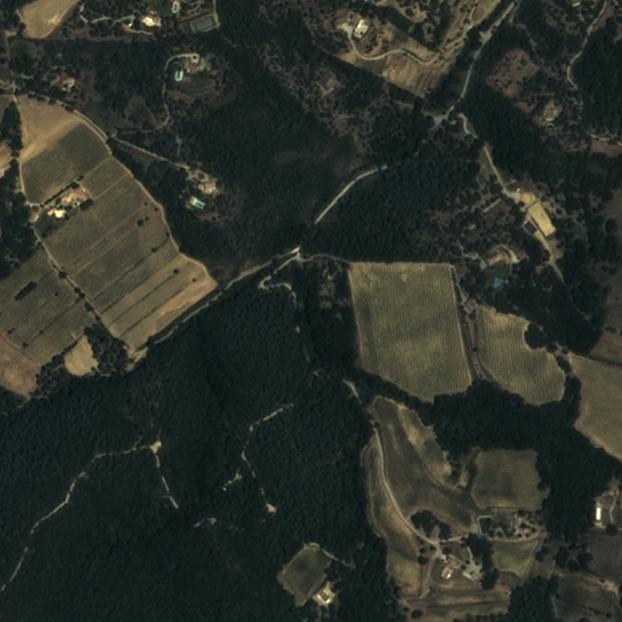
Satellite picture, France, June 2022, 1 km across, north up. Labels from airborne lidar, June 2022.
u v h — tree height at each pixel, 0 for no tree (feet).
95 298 0
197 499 44
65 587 44
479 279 24
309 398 44
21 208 49
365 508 43
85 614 23
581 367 0
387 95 21
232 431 38
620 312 0
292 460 61
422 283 0
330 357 52
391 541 0
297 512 35
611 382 0
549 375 0
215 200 25
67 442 23
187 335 24
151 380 45
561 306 51
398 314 0
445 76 20
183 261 0
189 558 50
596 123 30
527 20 33
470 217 38
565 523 44
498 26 22
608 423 0
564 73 25
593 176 36
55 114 0
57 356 26
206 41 29
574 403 41
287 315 49
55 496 20
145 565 38
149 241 0
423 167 44
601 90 33
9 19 26
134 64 39
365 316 0
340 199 26
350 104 24
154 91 36
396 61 0
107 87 42
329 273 25
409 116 30
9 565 25
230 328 42
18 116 26
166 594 34
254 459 29
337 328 34
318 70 28
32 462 19
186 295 0
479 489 0
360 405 43
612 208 0
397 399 44
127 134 31
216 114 20
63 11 0
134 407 29
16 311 0
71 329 0
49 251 0
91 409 49
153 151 37
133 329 0
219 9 25
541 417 47
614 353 0
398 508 0
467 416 39
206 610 51
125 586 29
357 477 62
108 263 0
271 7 32
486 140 28
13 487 19
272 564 48
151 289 0
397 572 0
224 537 33
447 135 33
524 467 0
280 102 29
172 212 23
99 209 0
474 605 0
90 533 42
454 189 42
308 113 20
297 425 50
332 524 50
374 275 0
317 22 26
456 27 0
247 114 19
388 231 31
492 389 33
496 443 43
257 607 39
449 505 0
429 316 0
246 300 35
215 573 21
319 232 34
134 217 0
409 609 31
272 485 25
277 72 20
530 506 0
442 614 0
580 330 53
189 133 26
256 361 35
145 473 29
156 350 37
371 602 35
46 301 0
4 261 59
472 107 31
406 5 37
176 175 30
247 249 26
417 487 0
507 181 0
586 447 47
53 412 36
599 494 29
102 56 29
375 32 0
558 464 44
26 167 0
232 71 29
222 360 32
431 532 35
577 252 38
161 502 21
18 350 0
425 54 0
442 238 24
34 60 28
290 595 29
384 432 0
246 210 30
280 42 26
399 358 0
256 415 27
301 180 31
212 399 24
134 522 40
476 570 0
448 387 0
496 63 19
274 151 24
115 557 54
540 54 27
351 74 39
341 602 21
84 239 0
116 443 19
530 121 24
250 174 26
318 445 49
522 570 0
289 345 49
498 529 42
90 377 51
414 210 43
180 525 54
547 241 0
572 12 31
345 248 29
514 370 0
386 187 38
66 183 0
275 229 23
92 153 0
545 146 31
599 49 40
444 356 0
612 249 32
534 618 47
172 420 26
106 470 46
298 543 41
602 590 0
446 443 54
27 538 34
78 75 23
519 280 30
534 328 29
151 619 24
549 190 21
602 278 0
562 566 36
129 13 21
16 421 26
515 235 33
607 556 0
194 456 41
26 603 27
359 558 47
